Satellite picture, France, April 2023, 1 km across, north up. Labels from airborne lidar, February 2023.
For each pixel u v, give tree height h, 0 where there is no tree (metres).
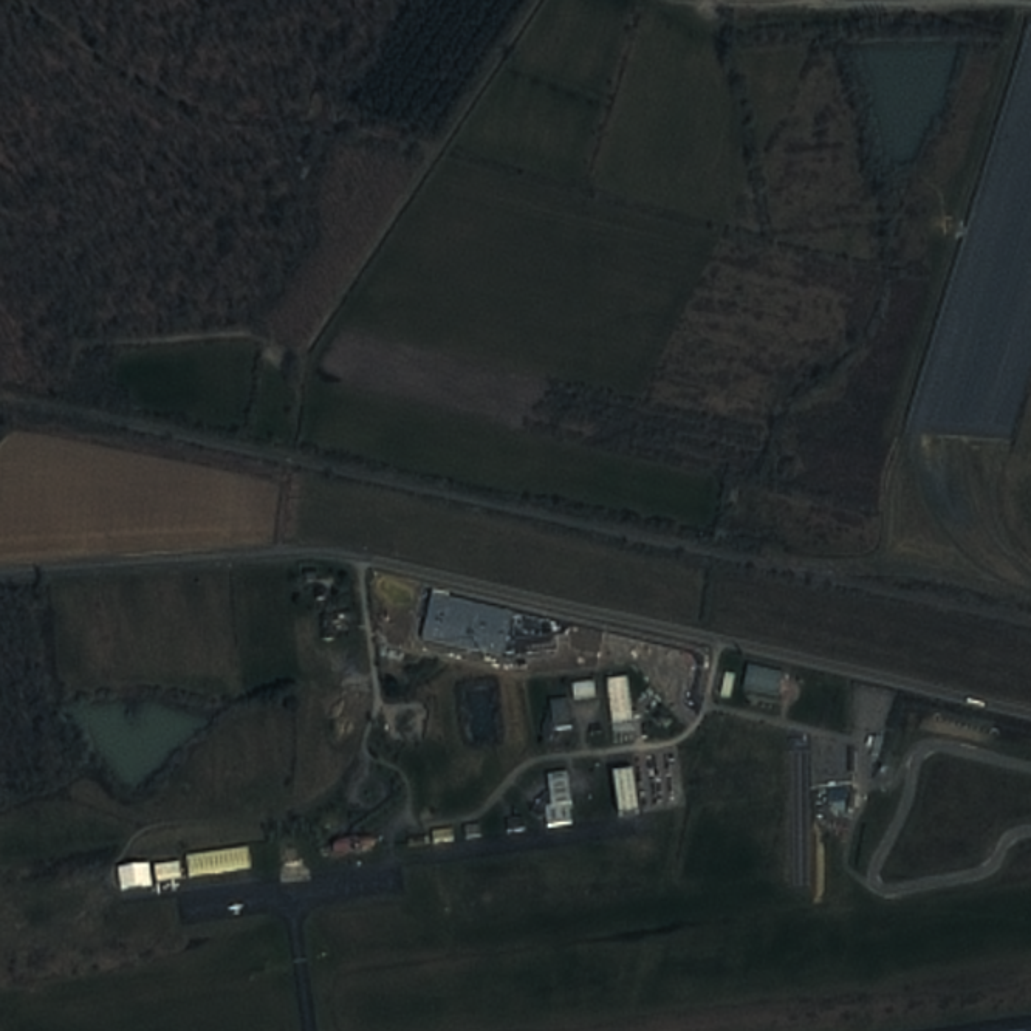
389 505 0
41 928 0
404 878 0
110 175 19
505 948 0
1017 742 0
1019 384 0
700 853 0
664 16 0
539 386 0
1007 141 0
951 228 0
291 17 22
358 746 0
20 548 0
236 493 0
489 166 0
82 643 0
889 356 0
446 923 0
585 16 0
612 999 0
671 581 0
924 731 0
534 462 0
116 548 0
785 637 0
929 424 0
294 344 12
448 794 0
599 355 0
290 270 14
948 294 0
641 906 0
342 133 15
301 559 0
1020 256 0
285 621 0
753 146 0
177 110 21
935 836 0
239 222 17
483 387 0
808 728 0
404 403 0
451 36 15
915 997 0
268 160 20
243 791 0
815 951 0
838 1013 0
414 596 0
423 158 12
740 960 0
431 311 0
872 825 0
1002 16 0
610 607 0
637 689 0
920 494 0
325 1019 0
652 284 0
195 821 0
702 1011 0
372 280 0
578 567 0
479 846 0
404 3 17
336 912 0
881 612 0
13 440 0
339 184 16
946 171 0
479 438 0
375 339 0
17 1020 0
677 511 0
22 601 20
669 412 8
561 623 0
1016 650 0
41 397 10
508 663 0
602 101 0
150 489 0
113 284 23
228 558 0
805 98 0
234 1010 0
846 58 6
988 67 0
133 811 0
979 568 0
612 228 0
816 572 0
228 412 0
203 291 23
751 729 0
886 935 0
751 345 0
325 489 0
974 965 0
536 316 0
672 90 0
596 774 0
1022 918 0
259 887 0
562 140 0
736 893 0
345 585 6
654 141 0
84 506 0
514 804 0
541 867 0
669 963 0
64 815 0
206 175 22
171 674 0
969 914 0
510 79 0
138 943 0
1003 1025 0
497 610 0
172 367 0
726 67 15
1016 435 0
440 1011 0
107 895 0
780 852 0
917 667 0
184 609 0
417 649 0
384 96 17
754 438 7
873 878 0
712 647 0
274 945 0
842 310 0
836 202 0
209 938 0
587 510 10
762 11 0
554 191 0
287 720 0
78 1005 0
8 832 0
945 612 0
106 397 13
